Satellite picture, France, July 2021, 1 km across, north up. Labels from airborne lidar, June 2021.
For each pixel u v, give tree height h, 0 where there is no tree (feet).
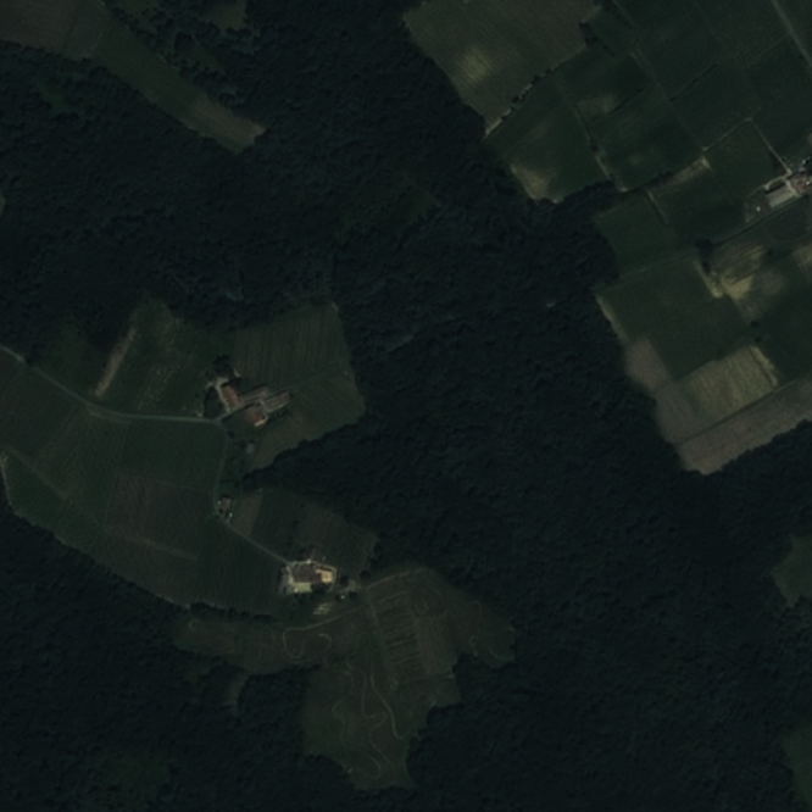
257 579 0
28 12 0
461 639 0
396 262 57
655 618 68
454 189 61
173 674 64
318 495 43
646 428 78
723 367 0
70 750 84
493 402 60
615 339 59
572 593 36
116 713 36
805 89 0
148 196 81
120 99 67
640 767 75
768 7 0
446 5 0
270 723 63
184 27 53
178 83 0
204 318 49
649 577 96
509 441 42
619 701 72
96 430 0
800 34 0
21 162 58
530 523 57
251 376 0
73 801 36
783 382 0
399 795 43
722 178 0
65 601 65
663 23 0
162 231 94
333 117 57
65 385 0
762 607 78
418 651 0
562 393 94
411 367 59
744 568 83
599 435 73
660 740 49
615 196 59
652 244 0
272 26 71
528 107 0
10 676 80
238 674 35
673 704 73
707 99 0
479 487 71
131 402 0
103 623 63
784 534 79
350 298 50
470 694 47
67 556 53
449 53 0
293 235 52
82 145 58
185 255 70
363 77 80
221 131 0
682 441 0
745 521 67
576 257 66
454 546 85
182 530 0
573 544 50
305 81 67
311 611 0
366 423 59
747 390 0
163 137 65
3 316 52
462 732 54
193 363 0
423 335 23
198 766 76
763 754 69
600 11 0
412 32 39
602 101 0
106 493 0
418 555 59
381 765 0
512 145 0
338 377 0
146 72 0
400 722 0
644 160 0
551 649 66
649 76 0
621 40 0
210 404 53
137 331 0
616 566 73
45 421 0
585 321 73
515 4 0
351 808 66
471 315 71
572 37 0
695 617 86
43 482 0
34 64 45
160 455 0
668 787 66
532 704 71
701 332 0
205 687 34
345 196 57
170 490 0
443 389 76
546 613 78
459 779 73
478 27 0
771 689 56
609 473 69
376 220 29
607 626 37
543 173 0
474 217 92
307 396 0
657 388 0
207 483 0
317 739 0
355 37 88
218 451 0
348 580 31
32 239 49
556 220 74
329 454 80
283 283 65
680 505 80
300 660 0
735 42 0
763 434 0
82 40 0
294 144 73
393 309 71
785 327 0
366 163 64
